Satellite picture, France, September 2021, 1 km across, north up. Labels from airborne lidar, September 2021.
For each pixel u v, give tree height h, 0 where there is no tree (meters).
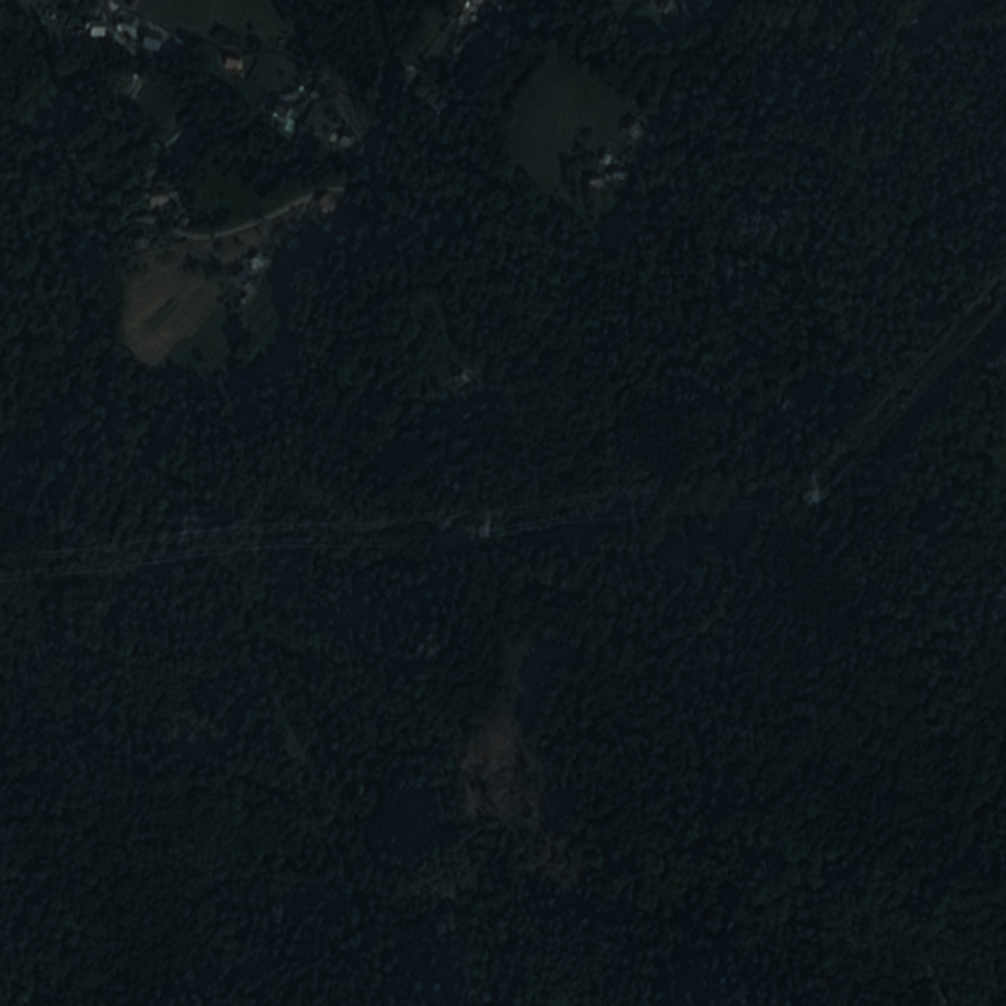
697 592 28
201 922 28
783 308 11
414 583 37
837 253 27
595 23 25
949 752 33
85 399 29
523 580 9
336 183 16
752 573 24
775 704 27
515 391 31
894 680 31
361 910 9
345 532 18
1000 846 26
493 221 20
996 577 33
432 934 15
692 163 29
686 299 11
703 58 13
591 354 21
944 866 27
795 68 8
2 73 28
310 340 22
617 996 29
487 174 29
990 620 31
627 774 27
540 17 15
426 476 33
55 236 15
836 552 20
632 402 17
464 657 29
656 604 29
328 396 28
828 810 29
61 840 26
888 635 29
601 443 24
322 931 21
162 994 19
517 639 22
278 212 0
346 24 24
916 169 24
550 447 24
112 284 18
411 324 25
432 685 24
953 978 26
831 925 33
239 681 22
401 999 27
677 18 0
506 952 18
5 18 18
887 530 10
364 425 19
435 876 14
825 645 19
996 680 27
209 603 27
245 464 16
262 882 30
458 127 20
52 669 28
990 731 29
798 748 32
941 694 26
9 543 17
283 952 38
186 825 29
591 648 24
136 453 28
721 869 18
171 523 21
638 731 11
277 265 0
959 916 26
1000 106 25
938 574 27
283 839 24
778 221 26
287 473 22
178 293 0
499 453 23
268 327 0
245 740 24
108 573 21
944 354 9
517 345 26
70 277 22
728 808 20
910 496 22
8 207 15
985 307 9
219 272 15
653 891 25
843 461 18
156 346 0
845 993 30
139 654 16
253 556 20
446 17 12
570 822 32
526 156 0
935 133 19
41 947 26
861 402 28
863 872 28
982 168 27
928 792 30
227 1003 34
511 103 17
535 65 9
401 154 15
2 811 27
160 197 0
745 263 17
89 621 27
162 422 27
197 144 23
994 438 24
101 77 14
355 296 32
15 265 27
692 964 11
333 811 21
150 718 14
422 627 14
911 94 22
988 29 22
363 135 0
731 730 28
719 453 27
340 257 22
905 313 23
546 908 24
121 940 30
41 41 25
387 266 31
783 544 20
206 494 23
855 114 14
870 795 34
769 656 28
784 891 25
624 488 25
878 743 29
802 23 23
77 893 36
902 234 31
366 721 23
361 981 25
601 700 17
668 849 22
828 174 28
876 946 23
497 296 28
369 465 17
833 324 24
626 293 17
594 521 21
